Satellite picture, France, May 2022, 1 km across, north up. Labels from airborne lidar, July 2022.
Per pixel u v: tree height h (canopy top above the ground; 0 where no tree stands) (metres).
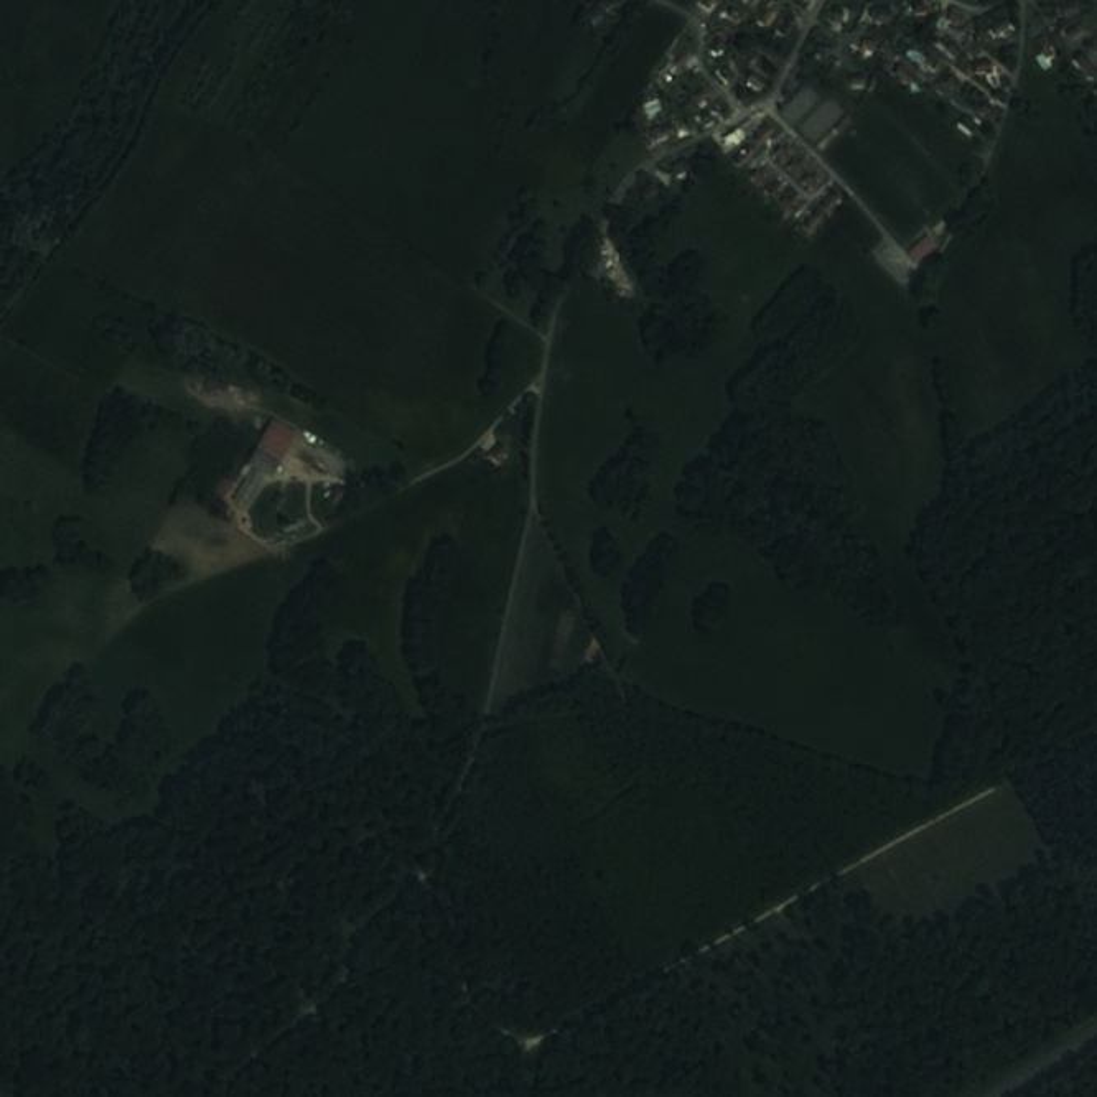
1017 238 0
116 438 18
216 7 12
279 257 0
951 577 24
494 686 0
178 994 28
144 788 18
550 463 0
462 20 0
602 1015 21
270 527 0
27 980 28
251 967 28
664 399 0
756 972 24
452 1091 25
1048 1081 17
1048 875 25
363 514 0
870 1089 26
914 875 0
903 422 0
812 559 26
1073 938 22
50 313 0
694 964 30
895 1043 24
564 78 0
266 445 0
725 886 6
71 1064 24
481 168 0
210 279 0
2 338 0
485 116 0
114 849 21
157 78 7
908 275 0
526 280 21
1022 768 17
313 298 0
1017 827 0
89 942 21
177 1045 19
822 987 25
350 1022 24
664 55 0
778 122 0
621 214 16
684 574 0
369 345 0
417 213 0
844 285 0
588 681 11
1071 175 0
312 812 23
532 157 0
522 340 0
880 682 0
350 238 0
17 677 0
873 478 0
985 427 0
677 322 9
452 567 14
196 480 7
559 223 0
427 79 0
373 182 0
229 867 23
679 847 5
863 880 0
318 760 27
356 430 0
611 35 7
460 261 0
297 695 9
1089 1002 25
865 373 0
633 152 0
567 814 7
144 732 22
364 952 23
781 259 0
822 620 0
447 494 0
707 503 24
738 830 8
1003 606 25
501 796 18
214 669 0
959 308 0
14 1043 19
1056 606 22
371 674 21
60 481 0
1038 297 0
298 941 26
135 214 0
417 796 25
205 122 0
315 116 0
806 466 22
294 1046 27
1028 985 22
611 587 0
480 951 24
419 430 0
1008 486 26
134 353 8
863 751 0
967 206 12
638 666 0
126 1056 26
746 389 20
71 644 0
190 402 0
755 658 0
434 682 20
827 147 0
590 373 0
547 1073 24
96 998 22
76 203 11
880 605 30
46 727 20
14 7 0
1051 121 0
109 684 0
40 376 0
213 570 0
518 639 0
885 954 23
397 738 12
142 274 0
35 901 24
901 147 0
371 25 0
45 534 0
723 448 25
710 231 0
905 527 0
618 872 6
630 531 0
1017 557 24
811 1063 0
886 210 0
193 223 0
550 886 16
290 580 0
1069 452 23
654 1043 23
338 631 0
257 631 0
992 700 23
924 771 0
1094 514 30
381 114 0
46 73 0
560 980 17
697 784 5
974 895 0
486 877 17
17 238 18
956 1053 21
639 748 12
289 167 0
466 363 0
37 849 12
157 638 0
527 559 0
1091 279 17
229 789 29
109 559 6
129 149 10
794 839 12
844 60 0
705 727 12
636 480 21
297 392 14
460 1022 23
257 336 0
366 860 27
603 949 16
